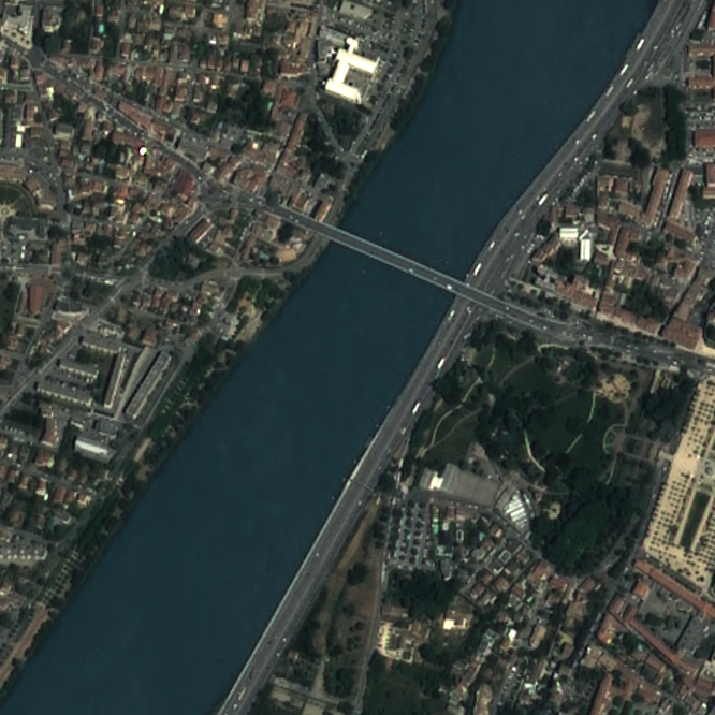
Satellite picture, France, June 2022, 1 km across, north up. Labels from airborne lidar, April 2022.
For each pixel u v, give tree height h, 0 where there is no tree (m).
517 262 0
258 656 0
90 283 10
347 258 0
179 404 9
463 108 0
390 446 0
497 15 0
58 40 15
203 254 7
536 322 0
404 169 0
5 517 13
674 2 0
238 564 0
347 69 0
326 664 7
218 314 0
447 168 0
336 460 0
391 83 0
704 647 16
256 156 0
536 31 0
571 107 0
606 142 8
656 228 0
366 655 0
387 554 0
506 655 7
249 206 0
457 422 0
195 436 0
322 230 0
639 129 0
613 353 6
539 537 31
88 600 0
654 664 0
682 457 0
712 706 12
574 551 27
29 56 0
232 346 18
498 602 13
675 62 0
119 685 0
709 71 0
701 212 0
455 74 0
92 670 0
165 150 0
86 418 0
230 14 0
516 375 0
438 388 23
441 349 0
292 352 0
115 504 11
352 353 0
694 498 0
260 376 0
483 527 9
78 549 7
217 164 15
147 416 0
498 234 0
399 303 0
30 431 0
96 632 0
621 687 9
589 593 9
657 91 8
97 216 6
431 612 26
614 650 9
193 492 0
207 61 0
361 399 0
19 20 0
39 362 8
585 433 17
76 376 0
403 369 0
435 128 0
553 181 0
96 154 14
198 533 0
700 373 0
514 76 0
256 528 0
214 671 0
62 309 0
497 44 0
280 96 0
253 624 0
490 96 0
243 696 0
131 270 8
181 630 0
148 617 0
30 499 6
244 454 0
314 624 10
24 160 0
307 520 0
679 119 17
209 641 0
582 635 11
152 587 0
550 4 0
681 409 11
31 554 0
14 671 11
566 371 9
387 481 21
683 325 0
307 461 0
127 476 8
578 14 0
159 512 0
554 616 12
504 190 0
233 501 0
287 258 0
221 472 0
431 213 0
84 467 7
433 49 11
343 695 11
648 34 0
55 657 0
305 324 0
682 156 16
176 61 0
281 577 0
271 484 0
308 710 0
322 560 0
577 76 0
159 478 0
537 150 0
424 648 17
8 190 0
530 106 0
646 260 6
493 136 0
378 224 0
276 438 0
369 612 0
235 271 0
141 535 0
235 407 0
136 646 0
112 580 0
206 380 12
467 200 0
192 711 0
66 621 0
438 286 0
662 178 0
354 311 0
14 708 0
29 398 13
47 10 0
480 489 0
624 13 0
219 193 0
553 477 17
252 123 14
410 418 0
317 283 0
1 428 0
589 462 0
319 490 0
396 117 11
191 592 0
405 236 0
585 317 8
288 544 0
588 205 11
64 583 8
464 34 0
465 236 0
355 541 0
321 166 12
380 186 0
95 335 0
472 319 0
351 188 13
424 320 0
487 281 0
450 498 0
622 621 0
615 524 10
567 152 0
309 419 0
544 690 13
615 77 0
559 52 0
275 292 15
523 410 10
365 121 0
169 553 0
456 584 29
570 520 25
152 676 0
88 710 0
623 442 0
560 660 7
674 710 9
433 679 11
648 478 9
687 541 0
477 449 0
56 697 0
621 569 12
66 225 0
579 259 0
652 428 0
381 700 0
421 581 20
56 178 0
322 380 0
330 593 0
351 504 0
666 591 0
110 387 0
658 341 7
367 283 0
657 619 12
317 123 7
